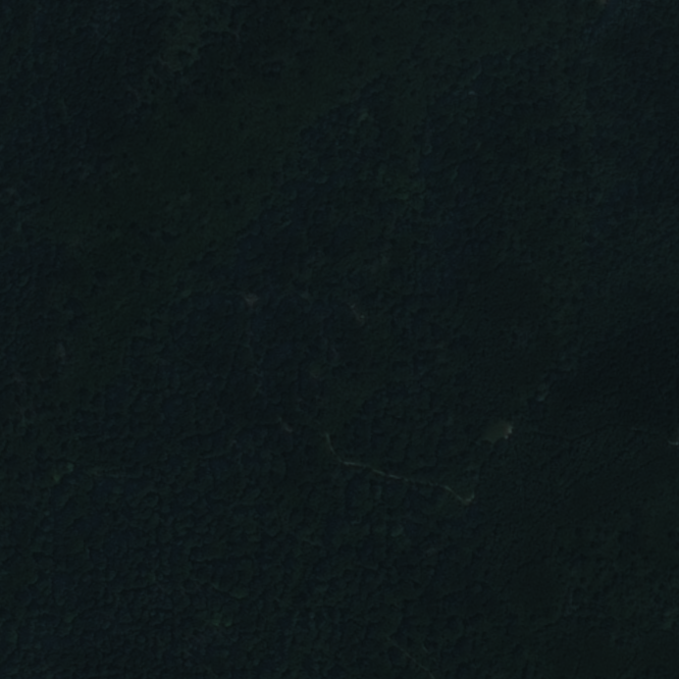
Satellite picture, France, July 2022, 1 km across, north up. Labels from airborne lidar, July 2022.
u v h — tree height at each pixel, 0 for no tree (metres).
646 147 20
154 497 34
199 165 11
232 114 10
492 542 16
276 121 8
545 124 14
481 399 17
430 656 10
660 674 20
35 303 22
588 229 13
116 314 10
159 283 8
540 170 11
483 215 20
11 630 34
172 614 31
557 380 22
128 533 7
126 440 31
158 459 29
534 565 18
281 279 33
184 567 30
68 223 12
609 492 17
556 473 17
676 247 21
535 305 17
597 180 12
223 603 31
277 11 29
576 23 16
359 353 29
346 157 22
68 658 25
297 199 8
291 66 7
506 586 14
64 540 33
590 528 14
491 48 11
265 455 27
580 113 11
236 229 7
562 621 23
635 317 14
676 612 10
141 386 9
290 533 7
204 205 13
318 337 33
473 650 21
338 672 31
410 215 20
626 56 17
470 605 32
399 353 11
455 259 35
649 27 27
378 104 27
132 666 19
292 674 35
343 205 20
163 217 9
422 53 26
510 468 15
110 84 24
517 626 31
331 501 8
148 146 12
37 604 9
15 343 27
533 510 17
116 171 11
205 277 11
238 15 30
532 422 16
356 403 10
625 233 14
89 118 28
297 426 25
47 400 32
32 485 10
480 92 25
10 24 24
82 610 23
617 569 11
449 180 24
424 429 27
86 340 10
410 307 33
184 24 6
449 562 37
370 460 30
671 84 22
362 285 29
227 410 32
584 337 17
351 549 29
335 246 28
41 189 26
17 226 24
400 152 10
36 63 8
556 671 12
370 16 12
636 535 25
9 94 11
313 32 18
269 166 12
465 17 12
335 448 9
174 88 20
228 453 29
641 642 14
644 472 18
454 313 14
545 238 9
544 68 27
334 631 31
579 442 15
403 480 10
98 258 9
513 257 14
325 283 7
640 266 14
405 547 28
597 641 12
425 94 13
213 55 20
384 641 29
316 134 27
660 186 23
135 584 26
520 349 17
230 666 5
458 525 31
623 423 13
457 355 14
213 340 30
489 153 24
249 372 32
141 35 17
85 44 26
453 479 15
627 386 20
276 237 35
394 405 28
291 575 35
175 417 38
